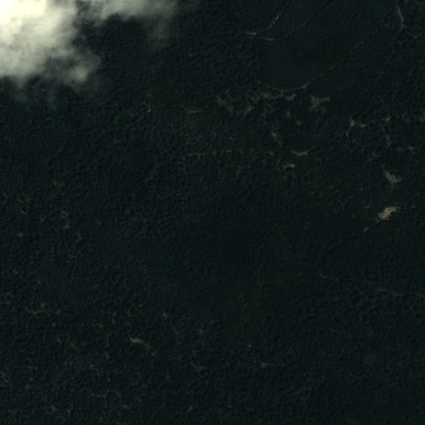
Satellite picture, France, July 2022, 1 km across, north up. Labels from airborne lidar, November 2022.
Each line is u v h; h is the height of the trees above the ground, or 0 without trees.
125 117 30
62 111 12
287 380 24
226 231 17
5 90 19
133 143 21
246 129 10
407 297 19
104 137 19
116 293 21
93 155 27
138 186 19
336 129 16
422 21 15
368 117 28
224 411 8
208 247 17
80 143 29
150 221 29
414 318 24
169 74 12
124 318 14
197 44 13
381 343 26
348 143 23
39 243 21
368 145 26
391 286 19
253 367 26
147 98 20
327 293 26
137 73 16
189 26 25
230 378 23
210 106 11
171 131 13
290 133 13
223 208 36
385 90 16
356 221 15
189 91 13
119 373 21
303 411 20
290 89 13
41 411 9
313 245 27
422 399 26
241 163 22
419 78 24
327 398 21
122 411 19
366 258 19
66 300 20
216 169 23
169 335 21
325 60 14
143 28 16
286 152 21
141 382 15
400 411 25
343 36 17
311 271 21
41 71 32
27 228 18
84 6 21
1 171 9
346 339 22
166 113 20
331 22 17
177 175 26
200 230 23
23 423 22
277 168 7
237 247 19
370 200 17
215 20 26
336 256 20
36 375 19
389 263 17
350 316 29
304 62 15
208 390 22
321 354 19
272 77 14
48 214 22
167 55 25
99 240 19
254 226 24
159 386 25
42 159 20
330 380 20
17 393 23
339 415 14
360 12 16
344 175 20
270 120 24
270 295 20
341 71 11
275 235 30
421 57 18
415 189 13
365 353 27
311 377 22
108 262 14
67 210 24
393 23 12
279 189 15
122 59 20
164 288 14
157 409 22
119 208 24
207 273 15
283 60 15
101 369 20
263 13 13
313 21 16
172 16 25
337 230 17
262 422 9
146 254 17
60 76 16
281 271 20
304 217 21
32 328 25
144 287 20
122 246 17
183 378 26
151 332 12
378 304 17
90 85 13
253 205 29
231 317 19
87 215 24
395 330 27
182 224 25
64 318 15
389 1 20
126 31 19
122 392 19
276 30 14
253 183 27
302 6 18
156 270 17
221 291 17
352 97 14
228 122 12
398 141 27
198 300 13
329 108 15
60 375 18
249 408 13
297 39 13
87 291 7
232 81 22
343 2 23
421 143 28
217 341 20
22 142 21
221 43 18
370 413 22
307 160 14
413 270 16
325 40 23
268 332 10
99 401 18
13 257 18
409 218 17
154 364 6
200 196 20
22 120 18
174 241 18
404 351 19
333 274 31
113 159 26
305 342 24
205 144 13
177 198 19
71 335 14
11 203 23
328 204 11
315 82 11
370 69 16
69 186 22
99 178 19
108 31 18
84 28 21
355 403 20
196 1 23
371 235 25
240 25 21
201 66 26
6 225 15
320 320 25
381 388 23
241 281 14
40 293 20
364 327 32
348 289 24
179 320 13
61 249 17
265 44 17
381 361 22
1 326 29
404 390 23
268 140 17
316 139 21
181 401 23
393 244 23
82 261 12
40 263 19
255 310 20
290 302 26
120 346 23
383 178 22
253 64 11
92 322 20
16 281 24
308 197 28
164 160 26
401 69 16
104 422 6
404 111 28
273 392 11
